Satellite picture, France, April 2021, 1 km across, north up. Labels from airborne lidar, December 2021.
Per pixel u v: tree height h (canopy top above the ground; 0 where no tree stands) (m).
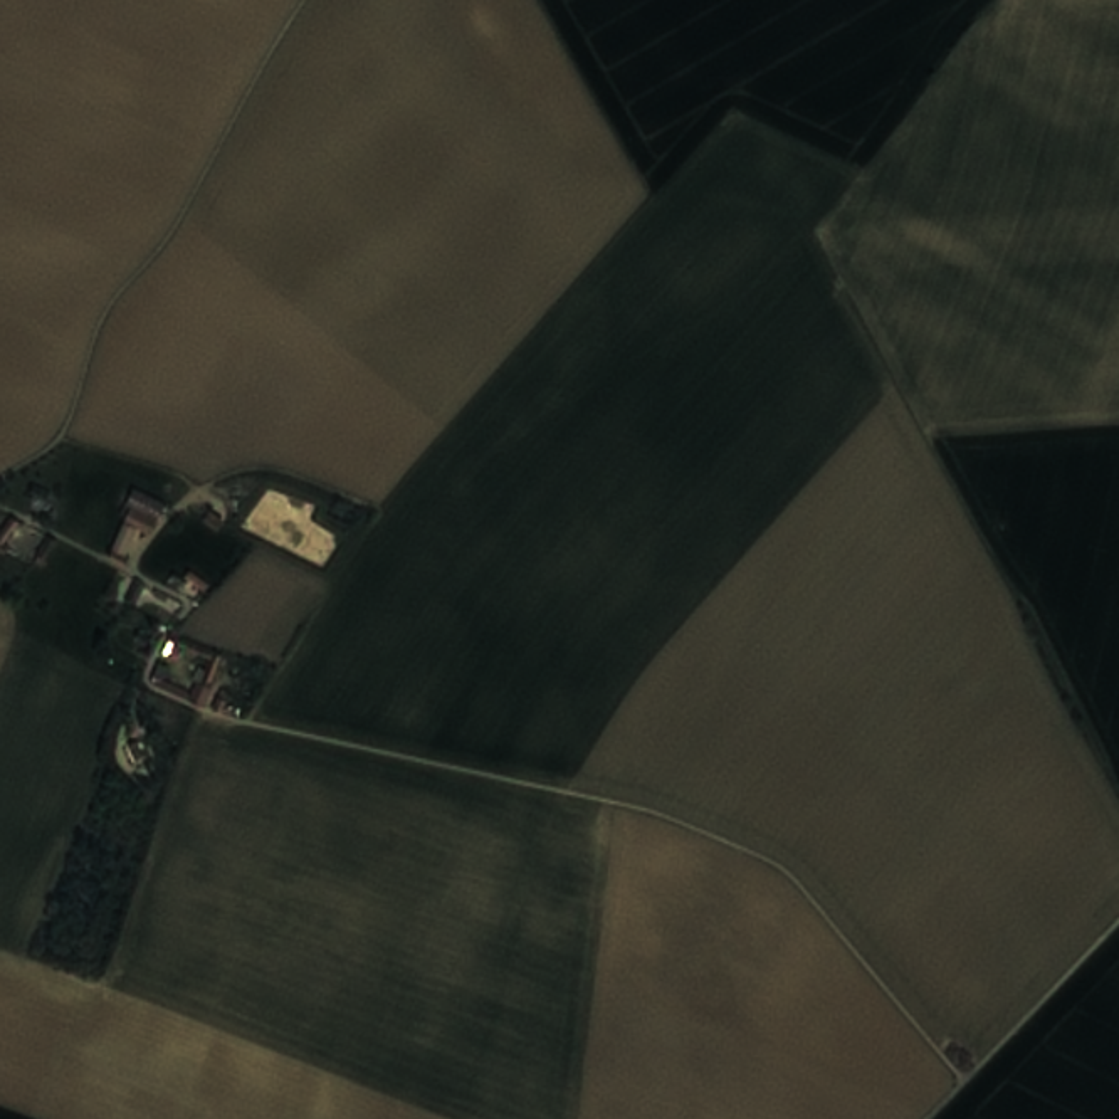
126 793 11
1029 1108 0
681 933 0
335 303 0
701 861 0
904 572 0
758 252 0
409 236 0
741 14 0
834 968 0
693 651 0
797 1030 0
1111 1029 0
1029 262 0
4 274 0
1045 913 0
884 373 0
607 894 0
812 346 0
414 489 0
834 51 0
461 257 0
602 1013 0
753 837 0
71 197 0
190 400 0
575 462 0
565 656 0
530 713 0
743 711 0
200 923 0
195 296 0
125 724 8
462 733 0
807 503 0
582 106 0
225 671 0
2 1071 0
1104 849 0
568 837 0
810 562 0
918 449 0
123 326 0
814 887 0
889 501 0
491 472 0
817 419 0
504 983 0
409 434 0
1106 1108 0
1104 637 0
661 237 0
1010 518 0
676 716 0
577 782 0
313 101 0
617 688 0
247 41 0
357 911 0
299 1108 0
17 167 0
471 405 0
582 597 0
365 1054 0
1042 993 0
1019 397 0
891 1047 0
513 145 0
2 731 0
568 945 0
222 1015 0
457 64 0
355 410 0
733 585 0
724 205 0
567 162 0
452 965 0
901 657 0
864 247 0
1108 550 0
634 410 0
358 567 0
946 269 0
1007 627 0
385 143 0
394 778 0
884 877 0
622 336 0
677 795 0
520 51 0
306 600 0
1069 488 0
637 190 0
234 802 0
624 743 0
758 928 0
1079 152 0
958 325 0
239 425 0
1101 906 0
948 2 0
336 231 0
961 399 0
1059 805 0
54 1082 0
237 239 0
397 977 0
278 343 0
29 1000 0
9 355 0
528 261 0
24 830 0
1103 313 0
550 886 0
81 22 0
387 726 0
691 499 0
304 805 0
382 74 0
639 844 0
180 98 0
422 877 0
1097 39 0
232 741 0
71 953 6
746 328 0
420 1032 0
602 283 0
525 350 0
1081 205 0
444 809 0
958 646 0
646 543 0
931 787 0
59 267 0
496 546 0
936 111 0
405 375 0
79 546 0
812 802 0
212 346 0
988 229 0
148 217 0
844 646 0
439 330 0
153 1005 0
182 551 0
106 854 14
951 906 0
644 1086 0
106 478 0
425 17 0
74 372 0
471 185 0
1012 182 0
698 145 0
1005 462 0
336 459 0
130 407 0
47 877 0
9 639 0
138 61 0
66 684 0
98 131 0
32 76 0
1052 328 0
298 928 0
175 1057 0
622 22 0
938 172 0
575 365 0
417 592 0
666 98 0
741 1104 0
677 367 0
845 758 0
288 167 0
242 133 0
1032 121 0
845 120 0
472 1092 0
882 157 0
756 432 0
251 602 0
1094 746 0
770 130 0
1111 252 0
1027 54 0
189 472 0
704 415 0
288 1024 0
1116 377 0
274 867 0
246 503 0
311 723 0
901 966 0
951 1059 0
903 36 0
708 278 0
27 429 0
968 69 0
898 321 0
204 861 0
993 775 0
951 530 0
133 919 0
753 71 0
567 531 0
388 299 0
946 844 0
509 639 0
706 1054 0
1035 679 0
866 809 0
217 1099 0
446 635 0
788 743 0
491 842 0
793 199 0
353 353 0
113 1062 0
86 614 0
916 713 0
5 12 0
